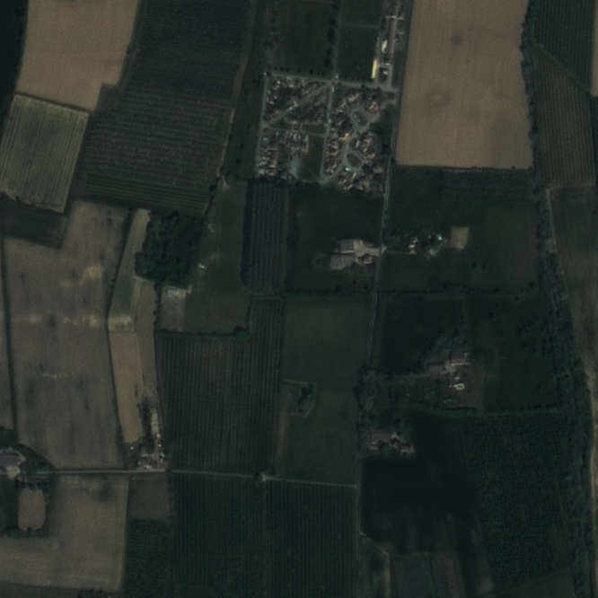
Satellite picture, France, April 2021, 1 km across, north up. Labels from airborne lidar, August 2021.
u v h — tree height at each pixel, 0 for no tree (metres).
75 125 0
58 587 0
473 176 6
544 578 0
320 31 0
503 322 0
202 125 6
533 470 0
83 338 0
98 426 0
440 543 0
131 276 0
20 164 0
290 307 0
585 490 11
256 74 0
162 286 10
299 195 0
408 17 0
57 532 0
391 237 10
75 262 0
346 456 0
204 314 0
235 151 0
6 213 0
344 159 0
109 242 0
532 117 9
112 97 0
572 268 0
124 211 0
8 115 10
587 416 14
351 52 0
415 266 0
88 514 0
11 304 0
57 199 0
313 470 0
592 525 8
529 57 18
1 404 0
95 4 0
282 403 0
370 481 0
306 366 0
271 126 9
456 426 0
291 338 0
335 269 0
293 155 0
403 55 0
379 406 18
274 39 10
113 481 0
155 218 12
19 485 12
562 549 0
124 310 0
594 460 0
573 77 0
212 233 0
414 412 0
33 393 0
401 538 0
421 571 5
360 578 0
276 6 0
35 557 0
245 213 0
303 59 0
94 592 6
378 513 0
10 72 0
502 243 0
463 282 6
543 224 8
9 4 0
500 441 0
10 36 0
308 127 0
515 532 0
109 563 0
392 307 0
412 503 0
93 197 0
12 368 0
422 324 0
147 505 0
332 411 0
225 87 6
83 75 0
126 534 0
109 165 6
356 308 0
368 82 6
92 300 0
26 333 0
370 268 13
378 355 7
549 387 0
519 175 7
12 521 0
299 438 0
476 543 0
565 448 0
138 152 6
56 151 0
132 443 0
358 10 0
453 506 0
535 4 14
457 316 0
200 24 6
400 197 0
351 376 0
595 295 0
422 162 0
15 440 0
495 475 0
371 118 0
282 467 0
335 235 0
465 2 0
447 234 0
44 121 0
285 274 25
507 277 0
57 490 0
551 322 9
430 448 0
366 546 0
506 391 0
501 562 0
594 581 14
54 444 0
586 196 0
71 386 0
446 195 6
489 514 0
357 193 7
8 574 0
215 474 0
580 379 12
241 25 5
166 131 6
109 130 6
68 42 0
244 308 0
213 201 6
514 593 0
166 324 0
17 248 0
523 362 0
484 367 0
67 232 0
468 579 0
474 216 0
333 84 6
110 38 0
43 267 0
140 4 0
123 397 0
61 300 0
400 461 0
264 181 7
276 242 29
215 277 0
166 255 14
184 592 0
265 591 7
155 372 0
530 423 0
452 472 0
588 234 0
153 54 6
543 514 0
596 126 15
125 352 0
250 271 28
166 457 7
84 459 0
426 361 9
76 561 0
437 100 0
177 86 6
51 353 0
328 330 0
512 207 0
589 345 0
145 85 6
